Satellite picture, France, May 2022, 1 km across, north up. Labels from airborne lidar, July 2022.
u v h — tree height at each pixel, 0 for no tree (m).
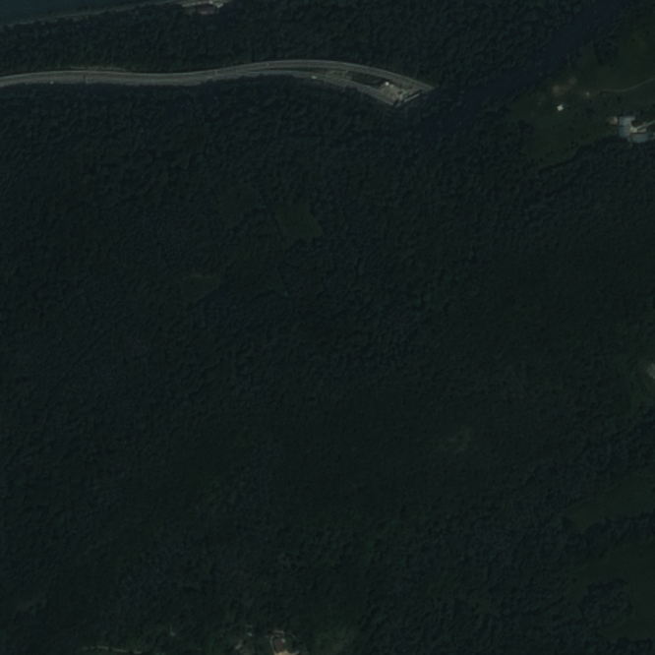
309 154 19
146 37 21
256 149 13
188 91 9
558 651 20
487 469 12
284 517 14
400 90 0
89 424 23
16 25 0
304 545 15
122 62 22
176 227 17
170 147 33
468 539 11
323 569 16
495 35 25
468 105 17
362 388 11
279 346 24
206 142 30
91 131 21
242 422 13
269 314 25
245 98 8
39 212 17
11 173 15
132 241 20
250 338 21
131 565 14
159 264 16
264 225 18
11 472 23
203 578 6
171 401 22
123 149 21
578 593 0
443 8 23
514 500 24
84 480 25
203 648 13
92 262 22
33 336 20
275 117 30
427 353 18
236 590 19
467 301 20
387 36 25
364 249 26
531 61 15
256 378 18
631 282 15
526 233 13
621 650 16
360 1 21
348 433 13
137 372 20
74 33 18
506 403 17
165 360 19
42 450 22
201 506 24
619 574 0
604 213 14
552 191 15
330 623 14
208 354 25
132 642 6
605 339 21
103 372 18
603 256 18
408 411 12
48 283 22
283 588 7
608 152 25
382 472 12
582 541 22
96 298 16
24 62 22
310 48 21
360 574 20
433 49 29
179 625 7
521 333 18
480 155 24
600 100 0
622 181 15
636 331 20
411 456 12
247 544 16
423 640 26
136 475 16
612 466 24
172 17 25
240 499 22
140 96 14
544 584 12
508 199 22
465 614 18
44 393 15
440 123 13
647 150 18
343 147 26
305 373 23
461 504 12
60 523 22
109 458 20
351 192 25
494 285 10
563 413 17
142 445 17
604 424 29
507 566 10
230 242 18
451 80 14
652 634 0
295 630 20
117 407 19
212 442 15
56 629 21
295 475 13
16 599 8
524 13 28
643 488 0
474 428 7
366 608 15
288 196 17
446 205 20
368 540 20
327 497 19
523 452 17
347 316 24
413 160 26
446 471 13
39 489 27
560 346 19
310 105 32
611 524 17
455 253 19
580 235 12
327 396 7
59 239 24
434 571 24
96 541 8
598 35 13
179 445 13
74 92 10
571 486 24
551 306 17
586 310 16
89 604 20
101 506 20
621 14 14
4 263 25
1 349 21
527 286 17
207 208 14
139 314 18
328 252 21
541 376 22
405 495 19
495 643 16
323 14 24
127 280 16
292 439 14
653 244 13
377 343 25
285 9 27
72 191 23
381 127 16
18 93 8
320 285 20
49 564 21
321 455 11
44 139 18
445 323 20
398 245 18
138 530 15
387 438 13
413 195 22
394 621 24
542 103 0
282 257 10
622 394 22
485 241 21
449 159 20
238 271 15
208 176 18
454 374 20
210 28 26
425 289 22
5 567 20
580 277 13
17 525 24
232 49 12
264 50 30
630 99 0
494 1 23
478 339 14
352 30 28
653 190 15
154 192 22
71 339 15
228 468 16
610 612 25
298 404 16
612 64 25
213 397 23
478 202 18
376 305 27
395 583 23
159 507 14
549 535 15
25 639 20
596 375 17
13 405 22
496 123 26
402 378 16
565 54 11
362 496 19
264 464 19
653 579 0
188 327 20
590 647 22
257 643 11
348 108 16
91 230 22
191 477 18
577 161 13
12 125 26
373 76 6
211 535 21
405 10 27
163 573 13
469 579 19
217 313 25
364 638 9
